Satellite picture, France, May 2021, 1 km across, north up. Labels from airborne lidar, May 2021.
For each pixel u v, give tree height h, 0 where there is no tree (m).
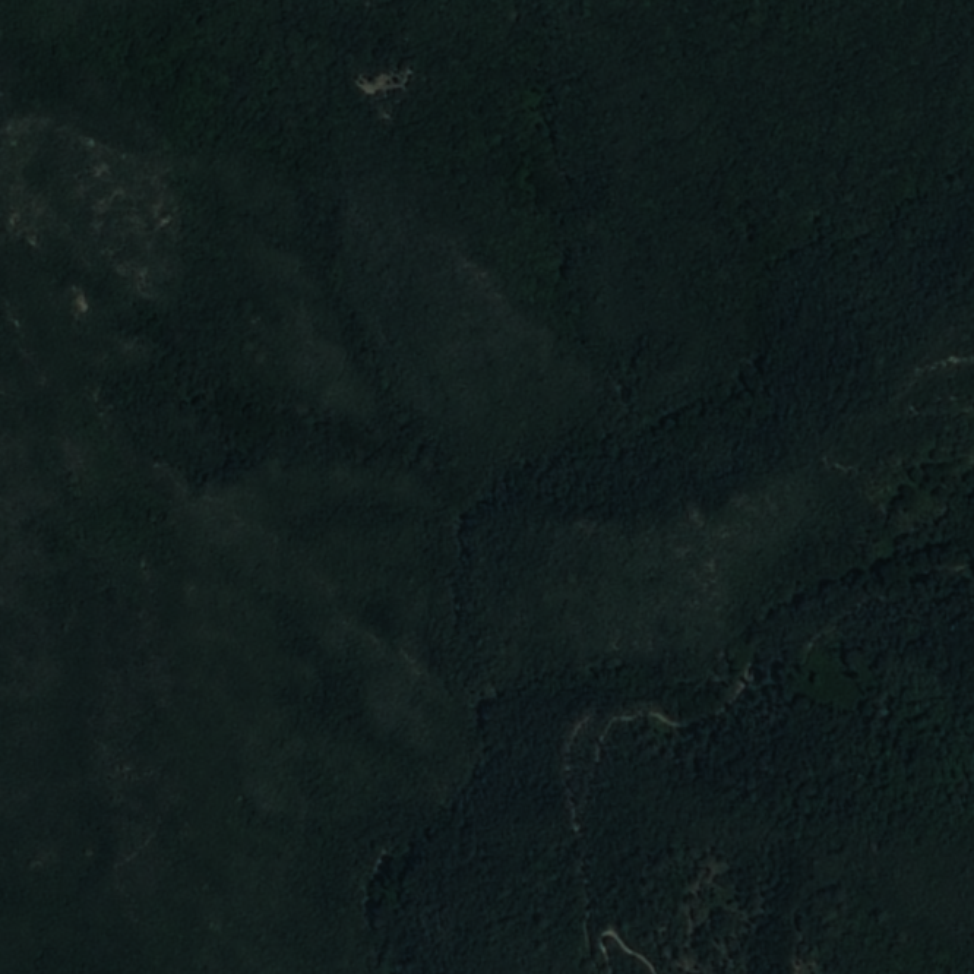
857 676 23
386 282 8
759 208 20
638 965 13
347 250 8
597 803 9
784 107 12
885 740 18
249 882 6
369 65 9
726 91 16
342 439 24
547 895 10
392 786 10
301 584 6
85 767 6
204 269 10
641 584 6
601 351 18
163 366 13
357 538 11
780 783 19
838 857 11
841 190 14
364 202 7
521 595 8
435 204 6
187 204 15
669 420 27
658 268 10
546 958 8
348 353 12
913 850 9
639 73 8
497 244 12
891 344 12
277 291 6
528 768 13
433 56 10
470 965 8
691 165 10
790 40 8
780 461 11
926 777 11
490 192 11
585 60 10
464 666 15
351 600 9
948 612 11
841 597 16
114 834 8
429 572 13
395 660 6
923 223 17
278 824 14
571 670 22
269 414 27
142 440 11
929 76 20
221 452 10
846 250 25
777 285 15
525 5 23
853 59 17
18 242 7
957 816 10
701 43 20
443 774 12
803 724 17
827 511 12
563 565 6
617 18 14
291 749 6
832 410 16
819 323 16
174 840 7
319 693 13
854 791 14
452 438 14
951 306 9
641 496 13
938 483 16
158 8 7
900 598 19
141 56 16
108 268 6
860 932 9
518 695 16
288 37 15
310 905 10
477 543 13
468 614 14
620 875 11
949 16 21
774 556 6
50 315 6
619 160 8
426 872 17
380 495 11
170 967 8
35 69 11
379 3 8
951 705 9
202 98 17
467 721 14
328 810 10
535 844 15
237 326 8
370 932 26
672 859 21
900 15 15
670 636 14
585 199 22
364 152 7
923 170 20
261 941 11
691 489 14
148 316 19
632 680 23
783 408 16
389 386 14
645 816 11
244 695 7
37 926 7
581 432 19
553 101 19
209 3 8
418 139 14
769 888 13
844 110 18
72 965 8
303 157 29
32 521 7
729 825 7
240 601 6
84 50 11
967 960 11
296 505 7
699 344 6
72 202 7
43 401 7
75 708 6
